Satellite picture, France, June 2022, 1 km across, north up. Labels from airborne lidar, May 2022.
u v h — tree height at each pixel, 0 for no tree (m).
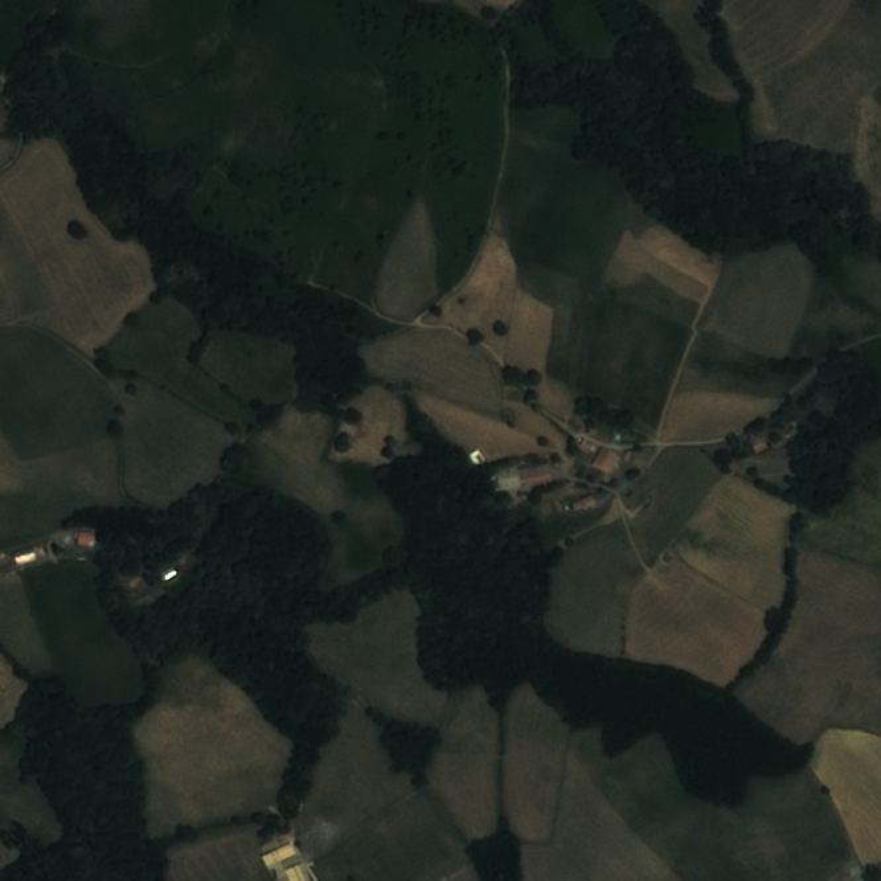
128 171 9
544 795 0
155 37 0
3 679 0
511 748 0
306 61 0
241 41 0
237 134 0
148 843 21
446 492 23
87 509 8
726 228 19
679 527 0
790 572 18
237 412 0
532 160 0
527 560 25
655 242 0
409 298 0
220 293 28
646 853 0
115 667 0
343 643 0
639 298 0
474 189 0
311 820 0
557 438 0
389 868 0
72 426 0
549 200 0
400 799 0
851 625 0
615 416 18
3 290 0
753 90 6
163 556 14
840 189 24
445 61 0
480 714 0
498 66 8
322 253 0
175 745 0
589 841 0
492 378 0
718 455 12
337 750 0
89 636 0
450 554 19
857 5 0
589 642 0
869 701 0
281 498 7
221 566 11
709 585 0
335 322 13
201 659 0
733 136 0
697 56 0
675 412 0
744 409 0
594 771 0
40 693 20
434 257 0
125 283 0
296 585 20
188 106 0
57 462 0
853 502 0
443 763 0
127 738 21
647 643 0
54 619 0
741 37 0
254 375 0
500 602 22
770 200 27
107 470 0
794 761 12
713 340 0
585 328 0
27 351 0
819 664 0
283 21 0
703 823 0
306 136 9
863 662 0
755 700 0
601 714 11
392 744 13
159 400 0
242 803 0
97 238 0
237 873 0
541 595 19
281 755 0
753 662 8
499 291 0
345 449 11
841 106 0
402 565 6
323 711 19
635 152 8
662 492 0
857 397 25
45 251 0
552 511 0
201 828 0
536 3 6
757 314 0
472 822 0
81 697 0
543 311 0
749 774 10
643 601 0
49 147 0
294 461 0
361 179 0
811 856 0
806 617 0
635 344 0
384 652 0
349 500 0
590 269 0
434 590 16
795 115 0
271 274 12
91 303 0
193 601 17
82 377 0
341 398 10
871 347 0
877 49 0
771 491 13
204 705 0
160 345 0
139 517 19
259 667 23
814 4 0
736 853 0
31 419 0
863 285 0
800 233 18
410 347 0
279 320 21
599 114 8
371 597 19
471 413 0
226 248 11
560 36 9
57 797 23
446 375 0
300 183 9
